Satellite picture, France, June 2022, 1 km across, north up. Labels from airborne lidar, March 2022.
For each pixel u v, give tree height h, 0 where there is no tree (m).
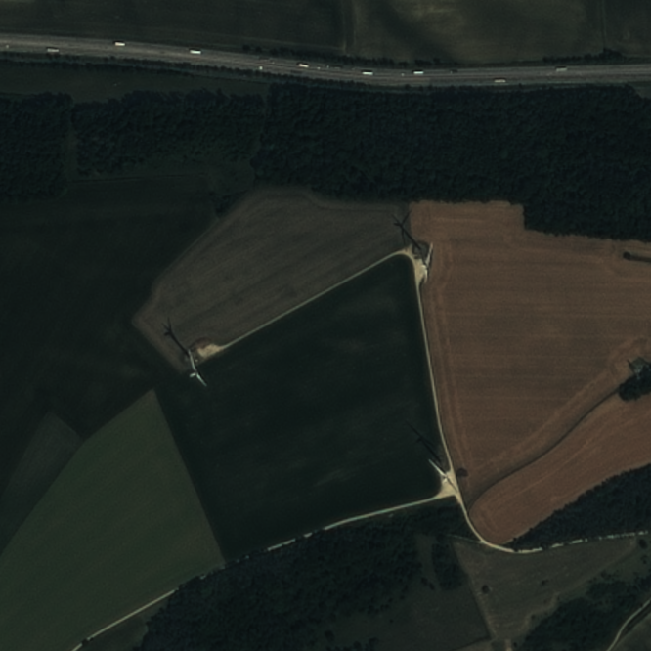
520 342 0
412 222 0
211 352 0
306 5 0
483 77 0
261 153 7
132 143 23
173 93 0
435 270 0
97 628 0
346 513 0
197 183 0
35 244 0
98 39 0
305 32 0
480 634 0
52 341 0
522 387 0
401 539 16
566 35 0
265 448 0
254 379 0
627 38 0
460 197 14
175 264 0
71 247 0
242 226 0
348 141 20
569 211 20
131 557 0
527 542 17
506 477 0
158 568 0
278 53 12
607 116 23
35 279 0
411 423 0
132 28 0
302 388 0
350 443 0
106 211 0
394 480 0
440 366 0
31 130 25
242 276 0
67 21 0
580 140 27
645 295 0
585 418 0
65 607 0
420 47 0
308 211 0
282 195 0
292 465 0
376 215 0
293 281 0
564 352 0
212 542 0
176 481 0
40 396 0
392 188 18
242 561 12
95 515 0
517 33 0
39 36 0
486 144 14
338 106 30
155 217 0
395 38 0
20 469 0
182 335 0
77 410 0
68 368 0
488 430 0
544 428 0
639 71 0
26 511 0
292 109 23
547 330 0
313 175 21
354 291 0
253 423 0
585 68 0
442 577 9
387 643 0
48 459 0
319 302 0
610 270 0
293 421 0
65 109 18
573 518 19
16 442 0
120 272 0
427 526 6
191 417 0
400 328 0
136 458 0
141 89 0
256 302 0
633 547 0
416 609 0
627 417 0
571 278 0
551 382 0
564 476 0
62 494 0
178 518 0
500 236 0
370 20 0
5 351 0
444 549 6
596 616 7
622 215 24
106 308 0
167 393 0
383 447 0
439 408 0
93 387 0
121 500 0
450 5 0
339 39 0
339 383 0
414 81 0
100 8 0
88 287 0
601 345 0
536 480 0
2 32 0
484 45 0
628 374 0
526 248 0
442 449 0
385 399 0
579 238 0
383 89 0
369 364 0
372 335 0
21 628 0
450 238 0
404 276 0
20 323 0
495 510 0
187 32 0
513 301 0
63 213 0
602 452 0
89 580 0
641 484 20
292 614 17
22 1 0
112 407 0
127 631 0
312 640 20
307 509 0
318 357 0
